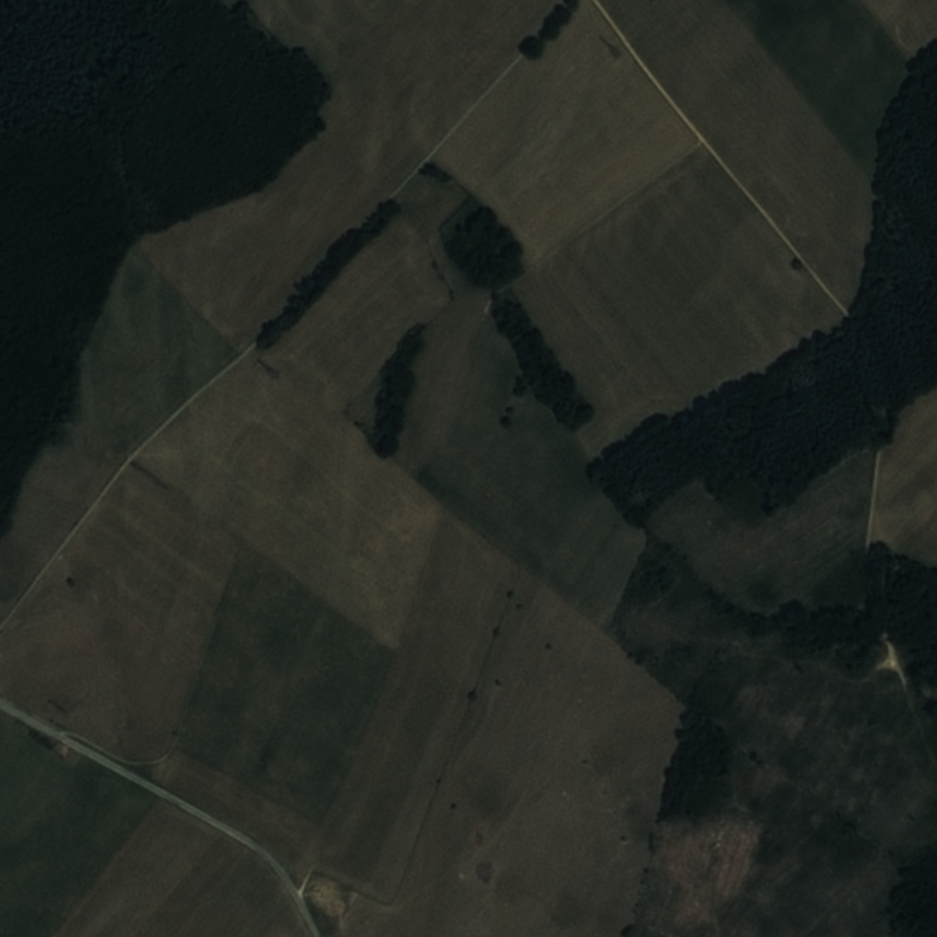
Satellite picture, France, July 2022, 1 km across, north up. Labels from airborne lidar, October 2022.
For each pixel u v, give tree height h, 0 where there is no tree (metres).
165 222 13
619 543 0
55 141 12
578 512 0
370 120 0
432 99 0
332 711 0
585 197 0
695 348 0
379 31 0
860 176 0
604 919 0
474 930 0
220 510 0
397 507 0
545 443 0
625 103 0
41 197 12
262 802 0
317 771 0
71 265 9
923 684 25
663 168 0
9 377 9
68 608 0
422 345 6
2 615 0
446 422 0
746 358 0
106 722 0
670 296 0
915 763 0
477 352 0
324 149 0
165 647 0
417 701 0
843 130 0
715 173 0
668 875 0
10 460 7
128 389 0
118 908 0
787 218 0
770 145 0
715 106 0
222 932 0
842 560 0
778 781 0
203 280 0
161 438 0
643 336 0
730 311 0
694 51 0
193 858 0
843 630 20
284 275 0
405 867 0
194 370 0
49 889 0
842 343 23
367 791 0
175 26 14
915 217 19
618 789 0
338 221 0
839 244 0
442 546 0
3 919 0
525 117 0
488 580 0
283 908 0
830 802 0
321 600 0
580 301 0
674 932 0
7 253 12
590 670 0
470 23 0
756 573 0
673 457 21
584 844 0
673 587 14
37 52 30
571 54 0
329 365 0
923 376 23
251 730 0
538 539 0
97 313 12
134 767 0
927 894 10
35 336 6
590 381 0
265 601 0
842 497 0
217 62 13
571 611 0
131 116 10
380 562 0
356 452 0
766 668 0
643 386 0
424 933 0
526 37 0
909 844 0
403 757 0
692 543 0
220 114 13
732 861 0
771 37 0
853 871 0
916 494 0
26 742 0
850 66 0
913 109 17
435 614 0
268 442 0
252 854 0
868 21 0
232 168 11
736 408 27
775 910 0
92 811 0
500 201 0
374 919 0
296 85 12
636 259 0
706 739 13
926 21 0
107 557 0
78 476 0
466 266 7
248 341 0
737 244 0
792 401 22
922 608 13
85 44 30
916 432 0
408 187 0
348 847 0
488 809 0
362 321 0
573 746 0
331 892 0
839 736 0
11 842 0
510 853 0
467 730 0
